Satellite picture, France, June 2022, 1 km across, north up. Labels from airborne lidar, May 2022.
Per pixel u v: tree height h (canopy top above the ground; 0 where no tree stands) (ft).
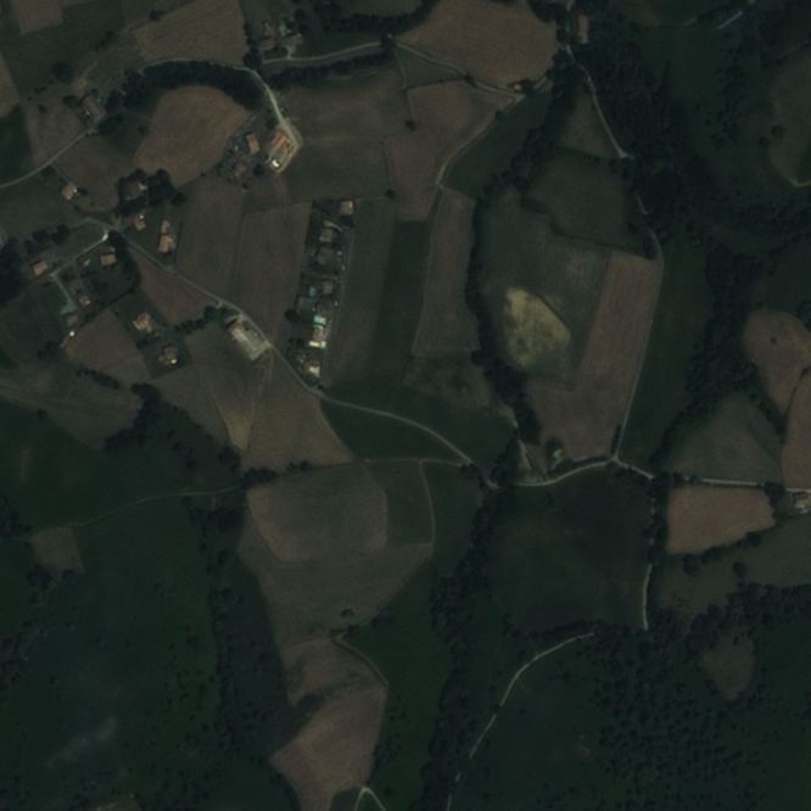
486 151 0
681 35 0
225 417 0
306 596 0
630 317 0
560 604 0
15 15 0
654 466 41
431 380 0
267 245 0
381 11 0
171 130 0
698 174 73
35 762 0
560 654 0
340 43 0
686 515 0
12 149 0
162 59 0
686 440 0
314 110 0
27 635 34
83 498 0
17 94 0
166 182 29
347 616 38
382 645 0
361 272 0
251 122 0
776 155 0
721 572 0
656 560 60
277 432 0
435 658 0
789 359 0
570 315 0
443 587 28
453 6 0
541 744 0
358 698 0
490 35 0
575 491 0
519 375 41
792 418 0
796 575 0
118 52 0
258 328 0
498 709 38
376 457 0
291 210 0
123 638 0
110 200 0
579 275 0
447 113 0
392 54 30
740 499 0
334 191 0
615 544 0
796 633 0
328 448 0
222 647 31
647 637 47
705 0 0
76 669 0
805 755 0
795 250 0
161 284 0
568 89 73
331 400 0
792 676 0
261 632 0
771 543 0
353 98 0
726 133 33
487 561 82
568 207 0
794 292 0
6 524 19
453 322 0
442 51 0
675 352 0
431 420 0
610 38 36
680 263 0
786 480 0
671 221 70
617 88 62
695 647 52
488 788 0
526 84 44
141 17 0
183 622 0
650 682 44
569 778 0
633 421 0
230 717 31
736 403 0
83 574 0
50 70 0
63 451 0
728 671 0
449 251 0
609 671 25
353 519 0
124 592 0
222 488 0
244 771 0
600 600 0
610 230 0
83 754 0
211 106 0
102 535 0
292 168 0
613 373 0
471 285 21
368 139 0
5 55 0
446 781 26
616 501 0
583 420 0
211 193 0
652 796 33
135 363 0
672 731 36
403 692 0
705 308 0
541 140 62
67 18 0
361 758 0
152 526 0
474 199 0
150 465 0
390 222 0
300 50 0
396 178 0
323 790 0
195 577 0
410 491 0
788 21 33
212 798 34
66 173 0
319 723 0
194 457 31
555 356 0
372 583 0
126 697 0
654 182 32
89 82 0
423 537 0
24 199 0
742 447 0
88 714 0
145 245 0
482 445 0
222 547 0
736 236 0
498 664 0
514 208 0
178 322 0
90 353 0
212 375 0
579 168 0
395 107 0
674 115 44
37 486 0
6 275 29
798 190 0
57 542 0
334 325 0
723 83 29
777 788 0
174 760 0
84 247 0
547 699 0
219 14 0
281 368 0
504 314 0
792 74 0
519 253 0
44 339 0
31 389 0
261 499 0
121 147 0
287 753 0
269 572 0
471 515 0
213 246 0
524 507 0
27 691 0
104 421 0
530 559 0
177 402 0
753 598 65
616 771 38
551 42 0
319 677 0
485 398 0
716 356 78
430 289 0
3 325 0
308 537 0
